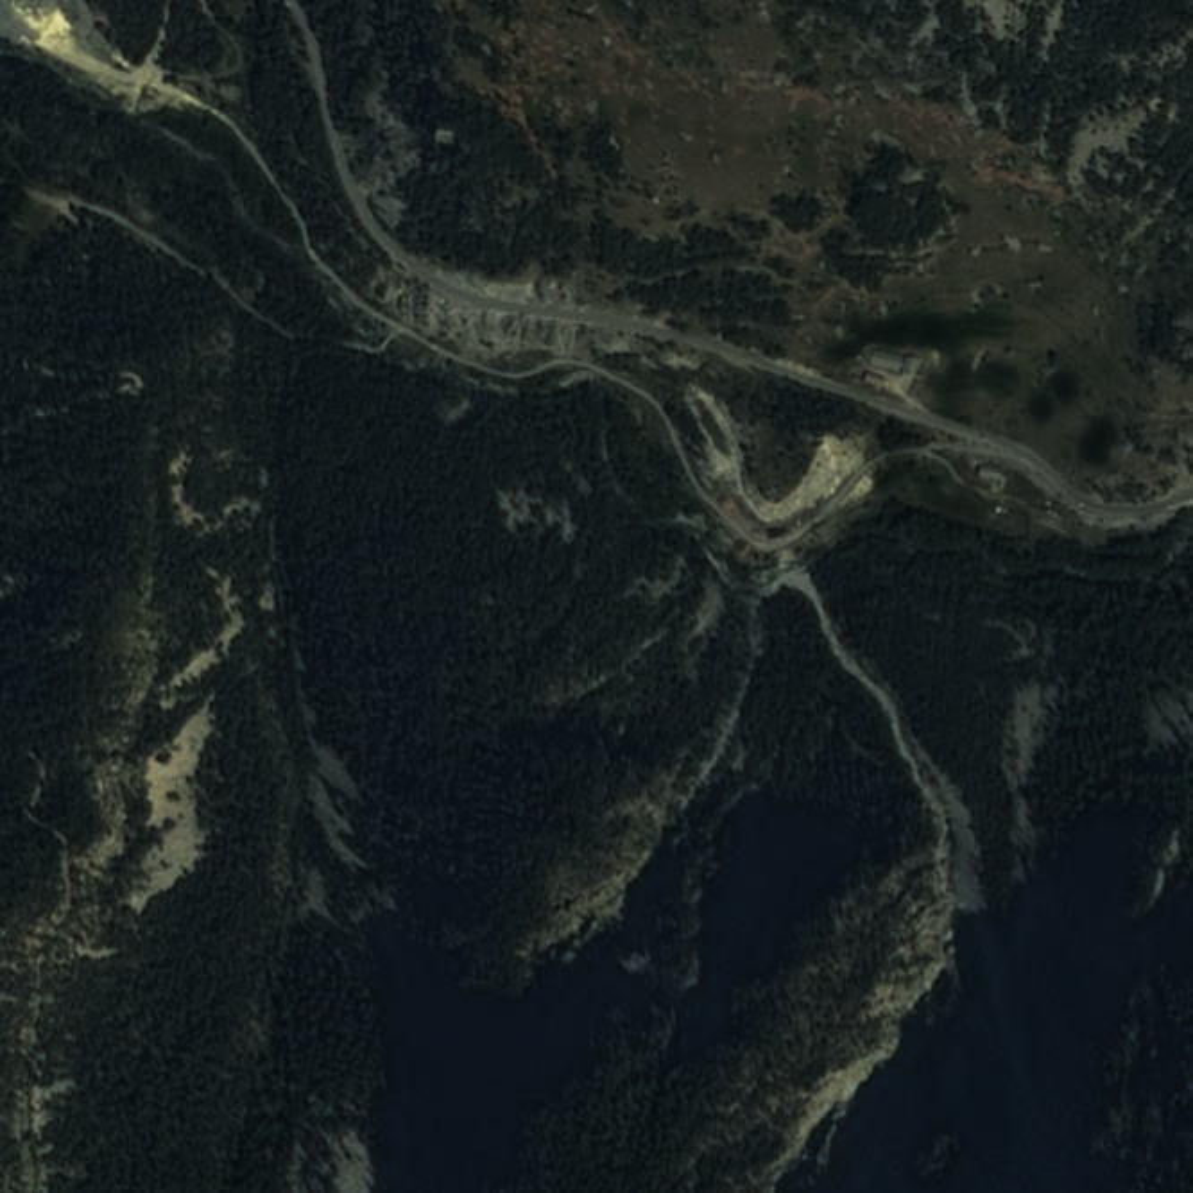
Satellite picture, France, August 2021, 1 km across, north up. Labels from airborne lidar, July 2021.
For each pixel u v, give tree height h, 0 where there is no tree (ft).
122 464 31
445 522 36
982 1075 33
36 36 0
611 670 20
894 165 20
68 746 26
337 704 38
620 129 0
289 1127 23
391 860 20
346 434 37
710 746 21
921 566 33
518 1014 19
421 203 29
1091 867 22
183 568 26
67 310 35
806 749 23
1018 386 0
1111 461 0
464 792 44
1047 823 20
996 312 0
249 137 18
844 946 25
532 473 35
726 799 20
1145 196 18
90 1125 21
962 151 0
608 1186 50
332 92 31
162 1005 43
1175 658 45
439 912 47
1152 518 0
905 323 0
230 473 21
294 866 21
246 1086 44
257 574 20
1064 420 0
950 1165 47
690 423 17
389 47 44
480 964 34
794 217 32
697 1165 21
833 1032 24
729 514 0
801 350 0
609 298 32
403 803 31
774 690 27
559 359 0
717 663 29
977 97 24
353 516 31
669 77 0
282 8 21
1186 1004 29
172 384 30
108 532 36
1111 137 0
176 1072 52
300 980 39
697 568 31
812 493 0
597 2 0
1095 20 19
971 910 0
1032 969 29
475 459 41
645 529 24
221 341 21
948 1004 19
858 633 33
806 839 31
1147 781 52
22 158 24
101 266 45
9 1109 39
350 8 64
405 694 30
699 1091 49
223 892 40
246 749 33
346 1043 46
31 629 31
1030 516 0
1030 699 0
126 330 26
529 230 41
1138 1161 27
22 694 29
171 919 29
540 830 30
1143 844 24
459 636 40
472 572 31
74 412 31
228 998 49
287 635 32
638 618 30
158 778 0
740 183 0
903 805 26
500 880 44
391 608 39
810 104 0
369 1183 0
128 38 28
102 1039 44
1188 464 22
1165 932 24
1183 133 25
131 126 27
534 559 23
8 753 27
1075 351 0
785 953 38
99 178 37
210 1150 42
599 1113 50
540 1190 43
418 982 33
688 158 0
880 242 41
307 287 41
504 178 33
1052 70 33
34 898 23
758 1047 44
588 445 47
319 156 30
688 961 22
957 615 18
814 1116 0
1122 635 45
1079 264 0
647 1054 40
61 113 36
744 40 0
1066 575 25
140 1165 52
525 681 40
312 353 39
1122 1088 25
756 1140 30
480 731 49
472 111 24
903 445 61
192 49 35
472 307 0
